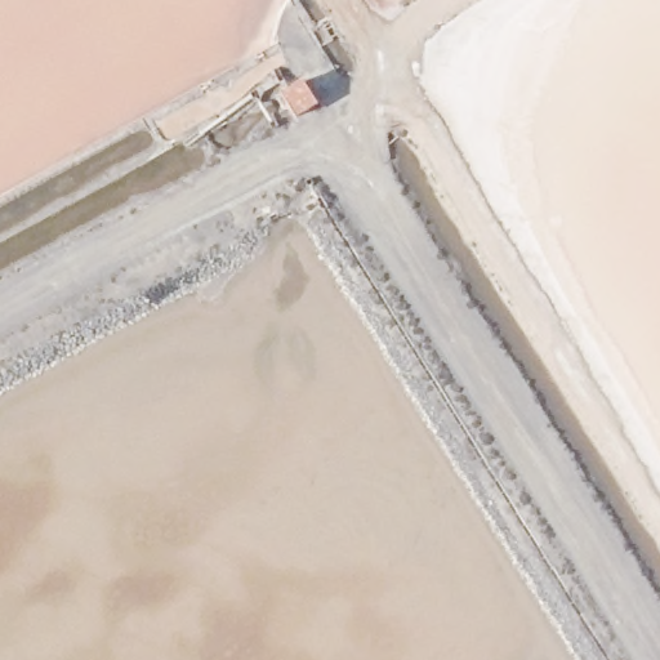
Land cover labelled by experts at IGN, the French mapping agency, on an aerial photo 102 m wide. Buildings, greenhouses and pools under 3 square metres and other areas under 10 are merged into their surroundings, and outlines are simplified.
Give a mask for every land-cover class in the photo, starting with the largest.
<instances>
[{"label":"water","instance_id":"1","mask_svg":"<svg viewBox=\"0 0 660 660\"><path fill-rule=\"evenodd\" d=\"M273 0H0V229L21 222L23 217L46 206L49 201L77 191L83 183L106 173L108 168L147 150L152 144V137L150 131H139V126L144 124L147 113L165 103H173L178 95H183V90L214 80L219 70L240 64L248 46L258 39ZM423 85L433 103L446 113L477 178L482 180L505 227L521 245L531 271L549 289L567 327L578 335L585 358L590 361L601 387L608 392L614 407L619 410L626 425V433L637 443L642 459L650 464V472L660 487V0H480L459 18L446 23L425 44ZM322 54L333 64V72L312 77L309 85L315 98L330 106L338 98L348 95L353 62L340 39L327 44L322 39V31H315ZM250 95L271 108L276 126H289V116L281 111L276 95L271 90H250ZM263 119L260 113H242L237 108L219 126L206 131L209 144L214 150L232 152ZM204 152L175 144L152 162L121 175L119 180L80 199L77 204L64 206L62 211L34 224L31 229L0 242V271L46 248L57 237L88 224L90 219L126 204L131 196L157 191L199 170ZM402 196L413 204L431 242L446 260L449 273L459 278L469 299V307L480 312L492 338L500 343L505 356L518 366L552 431L559 436L565 449L572 454L578 469L583 472V482L593 490L596 500L619 529L624 547L632 552V557L639 565V572L647 578L650 588L660 601V549L639 523L632 505L626 503L621 487L616 485L601 454L596 451L583 425L567 407L541 358L536 356V351L516 325L513 315L495 294L477 258L464 245L459 229L441 209L423 168H418L410 178L400 183ZM0 660H570L557 632L549 626L539 606L534 603L526 583L510 567L503 547L490 534V526L472 505L464 485L451 472L441 449L433 443V436L413 410L405 392L400 389L394 374L382 361L379 348L348 307V302L343 299V294L338 291L327 268L317 260L309 237L302 232L296 222H289L281 214H273L268 222L266 253L229 281L217 304H191L183 299L168 307L165 312H157L155 317H147L139 325L93 345L90 351H83L80 356L70 358V364L49 374H41L39 379L0 397Z\"/></svg>","mask_w":660,"mask_h":660},{"label":"pervious surface","instance_id":"2","mask_svg":"<svg viewBox=\"0 0 660 660\"><path fill-rule=\"evenodd\" d=\"M480 0H273L258 39L248 46L240 64L219 70L214 80L183 90V95H178L173 103H165L147 113L144 124L139 126V131H150L152 137V144L147 150L108 168L106 173L83 183L77 191L49 201L46 206L23 217L21 222L0 229V242L31 229L34 224L62 211L64 206L77 204L80 199L119 180L121 175L152 162L175 144L204 152L199 170L157 191L131 196L126 204L90 219L88 224L57 237L46 248L0 271V397L39 379L41 374H49L70 364V358L80 356L83 351H90L93 345L139 325L147 317H155L157 312H165L168 307L183 299L191 304H217L229 281L266 253L268 222L273 214H281L289 222H296L302 232L309 237L317 260L327 268L338 291L343 294V299L348 302V307L379 348L382 361L394 374L400 389L405 392L413 410L433 436V443L441 449L451 472L464 485L472 505L490 526V534L503 547L510 567L526 583L534 603L539 606L549 626L557 632L570 660H660V601L650 588L647 578L639 572V565L632 557V552L624 547L619 529L596 500L593 490L583 482V472L578 469L572 454L565 449L559 436L552 431L518 366L505 356L500 343L492 338L480 312L469 307V299L459 278L449 273L446 260L431 242L413 204L402 196L400 183L410 178L418 168H423L441 209L459 229L464 245L477 258L495 294L513 315L516 325L536 351V356L541 358L567 407L583 425L596 451L601 454L616 485L621 487L626 503L632 505L639 523L660 549V487L650 472V464L642 459L637 443L626 433V425L619 410L614 407L608 392L601 387L590 361L585 358L578 335L567 327L549 289L531 271L521 245L505 227L482 180L477 178L446 113L433 103L423 85L425 44L446 23L459 18ZM315 31H322V39L327 44L340 39L353 62L348 95L338 98L330 106L315 98L309 108L291 111L289 116V126H276L271 108L250 95V90H271L276 95L291 80L296 85H309L312 77L333 72V64L322 54ZM237 108L242 113H260L263 119L232 152L214 150L209 144L206 131L219 126Z\"/></svg>","mask_w":660,"mask_h":660},{"label":"building","instance_id":"3","mask_svg":"<svg viewBox=\"0 0 660 660\"><path fill-rule=\"evenodd\" d=\"M281 111L289 116L291 111L309 108L315 98L309 85H296L291 80L276 95Z\"/></svg>","mask_w":660,"mask_h":660}]
</instances>
